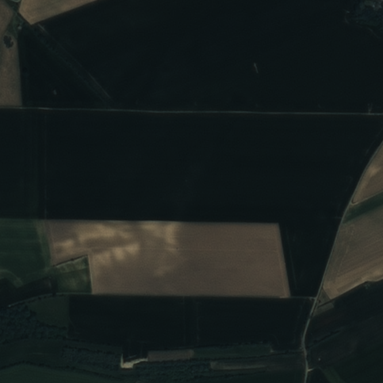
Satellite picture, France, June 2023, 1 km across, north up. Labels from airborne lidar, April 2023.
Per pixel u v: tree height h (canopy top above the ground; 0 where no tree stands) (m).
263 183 0
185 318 0
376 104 0
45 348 0
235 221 0
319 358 0
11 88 0
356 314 0
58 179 0
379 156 0
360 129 0
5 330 27
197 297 0
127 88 0
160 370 6
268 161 0
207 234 0
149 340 0
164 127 0
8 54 0
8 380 0
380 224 0
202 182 0
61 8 0
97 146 0
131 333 0
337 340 0
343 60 0
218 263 0
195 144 0
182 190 0
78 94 0
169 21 0
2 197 0
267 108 0
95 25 0
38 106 0
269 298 0
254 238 0
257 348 0
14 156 0
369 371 0
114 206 0
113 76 0
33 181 0
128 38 0
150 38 0
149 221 0
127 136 0
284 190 0
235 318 0
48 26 0
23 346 0
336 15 0
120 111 0
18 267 0
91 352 6
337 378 0
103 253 0
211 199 0
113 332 0
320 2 0
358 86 0
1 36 0
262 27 0
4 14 0
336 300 0
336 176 0
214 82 0
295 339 0
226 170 0
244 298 0
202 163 0
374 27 0
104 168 0
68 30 0
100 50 0
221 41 0
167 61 0
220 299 0
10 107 0
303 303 0
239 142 0
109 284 0
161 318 0
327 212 0
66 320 0
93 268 0
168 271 0
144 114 0
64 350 8
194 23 0
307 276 0
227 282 0
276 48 0
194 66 0
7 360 0
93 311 0
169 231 0
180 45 0
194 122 0
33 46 0
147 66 0
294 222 0
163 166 0
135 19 0
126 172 0
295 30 0
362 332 0
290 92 0
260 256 0
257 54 0
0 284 0
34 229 0
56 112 0
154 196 0
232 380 0
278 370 0
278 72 0
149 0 0
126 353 0
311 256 0
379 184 0
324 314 0
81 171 0
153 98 0
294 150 0
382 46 0
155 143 0
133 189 0
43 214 0
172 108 0
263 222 0
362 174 0
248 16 0
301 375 0
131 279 0
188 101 0
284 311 0
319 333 0
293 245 0
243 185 0
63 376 0
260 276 0
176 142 0
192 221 0
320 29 0
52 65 0
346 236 0
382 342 0
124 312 0
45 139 0
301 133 0
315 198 0
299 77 0
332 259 0
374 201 0
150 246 0
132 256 0
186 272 0
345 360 0
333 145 0
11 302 0
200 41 0
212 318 0
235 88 0
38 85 0
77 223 0
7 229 0
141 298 0
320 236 0
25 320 23
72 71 0
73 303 0
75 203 0
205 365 15
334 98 0
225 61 0
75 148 0
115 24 0
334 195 0
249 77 0
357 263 0
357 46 0
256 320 0
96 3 0
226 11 0
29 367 0
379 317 0
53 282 0
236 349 0
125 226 0
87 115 0
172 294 0
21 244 0
